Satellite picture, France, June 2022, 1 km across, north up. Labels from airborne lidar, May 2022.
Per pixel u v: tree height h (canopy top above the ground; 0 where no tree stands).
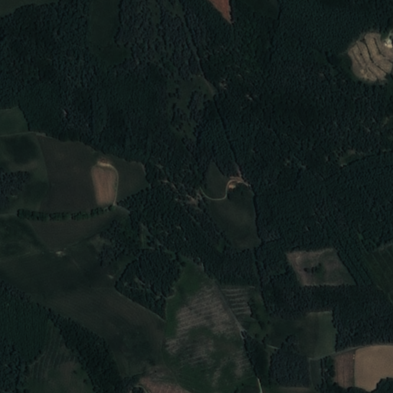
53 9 23
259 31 11
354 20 18
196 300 0
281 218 29
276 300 17
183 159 21
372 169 21
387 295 14
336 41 19
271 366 11
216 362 0
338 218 23
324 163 24
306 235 22
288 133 24
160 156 21
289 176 21
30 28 16
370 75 0
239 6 16
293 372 20
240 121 24
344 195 21
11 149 0
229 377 0
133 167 0
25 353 8
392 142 17
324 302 14
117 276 0
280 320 0
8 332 8
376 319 18
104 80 21
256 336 9
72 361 0
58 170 0
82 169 0
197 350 0
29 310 9
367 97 19
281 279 25
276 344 0
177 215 19
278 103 24
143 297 17
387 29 17
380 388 21
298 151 30
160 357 0
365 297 17
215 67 15
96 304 0
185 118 21
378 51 0
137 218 11
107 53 0
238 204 0
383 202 27
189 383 0
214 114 24
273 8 0
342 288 18
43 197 0
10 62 20
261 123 15
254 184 19
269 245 31
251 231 0
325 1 16
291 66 23
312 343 0
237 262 24
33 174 0
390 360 0
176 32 21
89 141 22
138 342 0
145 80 18
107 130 18
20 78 18
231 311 0
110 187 0
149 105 20
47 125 16
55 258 0
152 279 30
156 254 32
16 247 0
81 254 0
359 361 0
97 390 21
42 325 8
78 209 0
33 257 0
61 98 21
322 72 17
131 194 0
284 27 16
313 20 21
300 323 0
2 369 34
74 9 27
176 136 18
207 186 14
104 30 0
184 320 0
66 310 0
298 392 0
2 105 28
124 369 0
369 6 18
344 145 14
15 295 18
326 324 0
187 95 0
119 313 0
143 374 9
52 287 0
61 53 32
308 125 26
